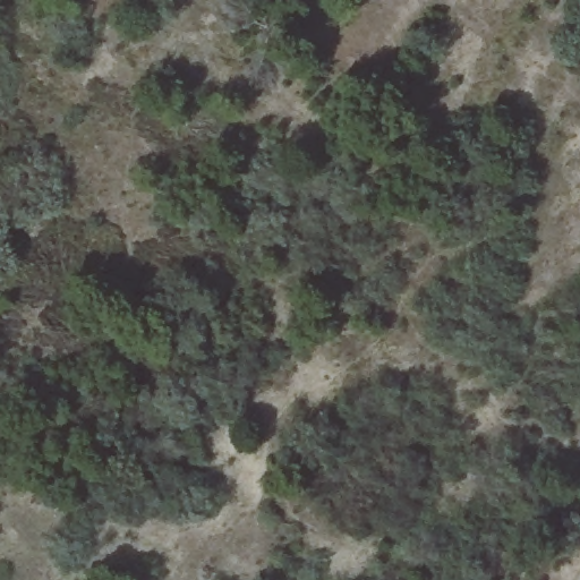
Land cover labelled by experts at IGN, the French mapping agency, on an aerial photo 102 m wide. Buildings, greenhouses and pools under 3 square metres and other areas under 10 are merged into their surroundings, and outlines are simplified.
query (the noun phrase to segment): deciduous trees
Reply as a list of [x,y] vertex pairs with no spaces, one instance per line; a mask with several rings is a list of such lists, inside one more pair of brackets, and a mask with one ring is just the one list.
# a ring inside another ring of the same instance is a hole
[[347,11],[360,9],[360,0],[319,0],[322,11],[333,23],[338,23],[340,16],[344,16]]
[[[306,5],[301,5],[299,0],[227,0],[227,5],[236,9],[236,18],[222,14],[220,20],[236,29],[233,41],[242,48],[242,57],[247,59],[254,57],[254,52],[265,52],[265,61],[272,61],[279,73],[285,73],[283,86],[290,86],[297,79],[306,82],[304,102],[308,102],[310,111],[319,113],[317,127],[324,131],[326,154],[331,156],[324,172],[315,170],[308,154],[299,150],[299,143],[279,143],[279,136],[295,136],[297,127],[290,125],[290,118],[270,113],[247,125],[242,122],[247,111],[242,109],[240,100],[229,100],[224,95],[206,95],[199,88],[184,91],[181,79],[172,70],[168,75],[159,70],[156,79],[147,79],[143,91],[136,91],[134,84],[129,86],[129,106],[138,113],[145,113],[152,120],[159,120],[165,129],[172,131],[179,131],[179,125],[190,120],[199,109],[206,113],[211,122],[227,122],[227,129],[222,131],[220,140],[195,136],[184,136],[181,140],[177,140],[177,150],[150,152],[140,156],[129,172],[129,179],[140,190],[154,193],[152,224],[159,229],[168,224],[179,229],[184,236],[188,236],[188,242],[197,251],[197,256],[186,256],[184,270],[172,272],[156,283],[156,295],[145,297],[140,308],[131,310],[129,301],[120,292],[116,292],[113,297],[104,297],[95,285],[86,285],[79,276],[70,274],[63,285],[66,292],[61,295],[61,322],[66,324],[70,335],[77,338],[79,347],[66,356],[43,356],[41,349],[32,347],[34,363],[25,365],[23,394],[0,396],[0,485],[11,485],[16,494],[29,492],[36,496],[39,503],[57,508],[61,512],[63,519],[57,528],[50,530],[50,539],[63,539],[66,544],[77,541],[84,546],[84,555],[91,557],[91,553],[100,548],[97,530],[104,521],[143,526],[150,519],[181,523],[197,521],[199,517],[218,517],[218,512],[227,503],[231,503],[231,498],[227,494],[218,494],[227,476],[215,467],[213,435],[220,428],[229,426],[229,437],[238,451],[256,453],[263,446],[249,433],[247,419],[242,415],[245,387],[254,390],[256,394],[270,390],[274,374],[285,360],[297,358],[299,363],[308,363],[315,356],[315,349],[329,342],[347,324],[351,329],[369,326],[374,335],[381,335],[394,326],[396,299],[408,288],[408,279],[415,265],[412,261],[403,258],[401,251],[387,247],[387,242],[403,240],[406,224],[399,224],[396,215],[406,215],[415,222],[426,224],[442,247],[460,245],[467,236],[476,242],[476,247],[458,254],[455,258],[442,256],[437,274],[424,288],[419,288],[412,304],[417,310],[428,308],[428,319],[421,329],[424,340],[451,353],[455,358],[458,372],[464,378],[485,376],[489,381],[496,381],[503,392],[512,383],[526,383],[523,390],[517,392],[517,408],[503,410],[505,417],[514,417],[514,424],[505,426],[501,433],[489,430],[483,435],[476,426],[478,419],[474,415],[455,410],[455,383],[453,378],[444,378],[442,365],[433,369],[381,367],[374,376],[356,378],[353,385],[333,390],[333,396],[329,401],[322,399],[319,403],[310,403],[306,396],[299,396],[290,408],[290,419],[295,424],[290,433],[283,433],[276,426],[274,437],[279,440],[279,451],[270,453],[267,458],[267,469],[261,478],[263,492],[276,492],[285,498],[295,498],[301,492],[306,492],[317,517],[324,517],[329,523],[333,523],[340,535],[349,535],[353,539],[369,539],[376,548],[376,555],[367,560],[365,569],[358,575],[331,573],[331,551],[310,546],[306,541],[306,526],[301,521],[288,519],[285,510],[276,501],[263,498],[258,503],[258,510],[261,521],[265,521],[263,528],[267,530],[267,541],[272,544],[272,548],[270,569],[263,569],[254,580],[539,580],[539,575],[544,573],[539,569],[539,562],[544,562],[548,555],[571,553],[575,557],[580,553],[580,272],[571,279],[555,281],[555,288],[532,306],[528,306],[523,299],[532,279],[528,265],[530,254],[539,249],[537,208],[526,206],[523,213],[514,215],[508,211],[508,204],[514,195],[537,193],[546,197],[546,184],[535,181],[528,156],[530,150],[539,150],[539,143],[544,138],[541,131],[535,131],[532,125],[505,129],[496,120],[496,109],[492,102],[462,104],[458,109],[449,109],[449,122],[462,125],[462,131],[455,134],[455,138],[462,152],[458,156],[449,156],[444,152],[437,152],[435,147],[426,147],[424,138],[428,127],[417,125],[415,113],[401,106],[401,91],[396,91],[392,84],[372,86],[356,77],[349,77],[349,66],[338,57],[333,66],[319,63],[315,59],[315,45],[310,41],[283,34],[283,16],[308,14]],[[306,272],[338,272],[351,281],[353,290],[349,290],[342,301],[324,301],[313,285],[301,285],[301,276]],[[272,331],[276,324],[274,304],[279,299],[290,301],[290,319],[285,335],[281,340],[272,340]],[[469,501],[460,501],[444,492],[444,483],[460,483],[467,474],[476,474],[476,489]]]
[[45,16],[57,16],[54,29],[61,32],[63,39],[59,50],[54,52],[54,61],[68,70],[86,70],[95,61],[97,48],[104,43],[104,25],[113,25],[118,34],[129,36],[131,41],[150,39],[177,16],[172,11],[174,0],[32,0],[32,9],[43,9]]
[[23,304],[14,304],[7,299],[9,288],[16,285],[18,261],[7,238],[7,220],[0,220],[0,319],[20,319]]
[[548,52],[555,54],[553,61],[560,66],[564,75],[575,73],[580,77],[580,0],[566,0],[564,20],[553,29]]
[[106,566],[100,566],[86,575],[84,580],[131,580],[129,575],[111,573]]

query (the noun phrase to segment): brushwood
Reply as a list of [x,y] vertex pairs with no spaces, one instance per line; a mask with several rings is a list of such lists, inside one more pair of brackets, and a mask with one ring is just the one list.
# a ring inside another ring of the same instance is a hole
[[430,61],[440,66],[451,54],[455,41],[462,36],[462,27],[458,25],[458,20],[451,20],[446,5],[430,5],[421,11],[419,18],[415,18],[406,27],[401,45],[394,45],[399,50],[399,57],[394,59],[396,73],[421,73]]
[[68,215],[61,218],[61,208],[70,208],[77,197],[77,170],[73,156],[68,156],[66,150],[59,145],[57,134],[70,136],[79,129],[79,122],[86,116],[82,116],[68,100],[57,95],[52,86],[45,86],[36,79],[34,59],[43,54],[43,50],[27,34],[18,32],[18,25],[34,25],[39,18],[45,16],[43,9],[32,9],[32,0],[0,0],[0,220],[7,220],[7,238],[18,261],[16,285],[9,288],[7,299],[14,304],[23,304],[20,319],[0,319],[0,396],[23,394],[25,365],[34,363],[32,347],[41,349],[43,356],[66,356],[79,347],[77,338],[70,335],[66,324],[61,322],[61,295],[66,292],[63,285],[70,274],[79,276],[86,256],[93,251],[125,254],[127,236],[118,222],[109,220],[104,211],[97,211],[84,220],[75,220]]
[[152,63],[145,70],[145,75],[134,84],[136,91],[143,91],[147,79],[156,79],[159,70],[168,75],[172,70],[163,61]]
[[206,113],[199,109],[190,120],[179,125],[179,131],[172,131],[172,138],[177,140],[181,140],[184,136],[195,136],[220,140],[222,131],[227,129],[227,122],[211,122]]
[[136,551],[131,546],[120,546],[116,553],[106,555],[100,562],[93,562],[91,557],[84,555],[84,546],[77,541],[66,544],[63,539],[50,539],[41,544],[45,560],[54,562],[63,573],[82,571],[86,575],[100,566],[106,566],[111,573],[129,575],[131,580],[165,580],[168,557],[159,551]]
[[159,229],[154,238],[136,242],[131,254],[136,263],[154,267],[156,283],[172,272],[184,270],[186,256],[197,256],[197,251],[188,242],[188,236],[184,236],[179,229],[168,224]]

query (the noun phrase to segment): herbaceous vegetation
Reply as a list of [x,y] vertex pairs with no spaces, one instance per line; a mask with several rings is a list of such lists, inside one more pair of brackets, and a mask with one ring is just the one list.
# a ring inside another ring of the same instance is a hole
[[353,290],[351,281],[338,272],[306,272],[301,276],[301,285],[313,285],[324,301],[342,301],[349,290]]
[[460,483],[444,483],[444,492],[460,501],[469,501],[476,489],[476,474],[467,474]]
[[[555,281],[571,279],[580,272],[580,77],[575,73],[564,75],[560,66],[553,61],[555,54],[548,52],[553,29],[564,20],[566,0],[360,0],[360,9],[347,11],[344,16],[340,16],[338,23],[333,23],[322,11],[319,0],[299,0],[301,5],[306,5],[308,14],[283,16],[283,34],[310,41],[315,45],[315,59],[319,63],[333,66],[338,57],[349,66],[349,77],[356,77],[372,86],[392,84],[396,91],[401,91],[401,106],[415,113],[417,125],[428,127],[424,138],[426,147],[435,147],[437,152],[444,152],[449,156],[458,156],[462,152],[455,138],[455,134],[462,131],[462,125],[449,122],[449,109],[458,109],[462,104],[492,102],[496,109],[496,120],[505,129],[532,125],[535,131],[541,131],[544,138],[539,143],[539,150],[530,150],[528,156],[535,181],[546,184],[546,197],[537,193],[514,195],[508,204],[508,211],[514,215],[523,213],[526,206],[537,208],[539,249],[530,254],[528,265],[532,279],[523,299],[528,306],[532,306],[555,288]],[[451,54],[440,66],[430,61],[421,73],[396,73],[394,59],[399,57],[399,50],[394,45],[401,45],[406,27],[415,18],[419,18],[421,11],[430,5],[446,5],[451,20],[458,20],[458,25],[462,27],[462,36],[455,41]]]
[[36,496],[29,492],[16,494],[11,485],[0,485],[0,580],[84,580],[86,575],[82,571],[63,573],[54,562],[45,560],[41,544],[50,539],[50,530],[57,528],[63,519],[61,512],[57,508],[39,503]]
[[238,451],[229,437],[229,426],[220,428],[213,435],[215,467],[227,476],[218,494],[227,494],[231,498],[231,503],[227,503],[218,512],[218,517],[199,517],[197,521],[181,523],[150,519],[143,526],[104,521],[97,530],[100,548],[91,553],[91,557],[93,562],[100,562],[106,555],[116,553],[120,546],[131,546],[136,551],[159,551],[168,557],[165,580],[254,580],[263,569],[270,569],[272,548],[272,544],[267,541],[267,530],[263,528],[265,521],[261,521],[258,510],[258,503],[263,498],[276,501],[285,510],[288,519],[301,521],[306,526],[306,541],[310,546],[331,551],[331,573],[358,575],[365,569],[367,560],[376,555],[376,548],[369,539],[353,539],[349,535],[340,535],[333,523],[329,523],[324,517],[317,517],[306,492],[301,492],[295,498],[285,498],[276,492],[263,492],[261,478],[267,469],[267,458],[270,453],[279,451],[279,440],[274,437],[276,426],[283,433],[290,433],[295,424],[290,419],[290,408],[299,396],[306,396],[310,403],[319,403],[322,399],[329,401],[333,396],[333,390],[353,385],[356,378],[374,376],[381,367],[433,369],[442,365],[444,378],[453,378],[455,383],[455,410],[474,415],[478,419],[476,426],[483,435],[489,430],[501,433],[505,426],[514,424],[514,417],[505,417],[503,410],[517,408],[517,392],[523,390],[526,383],[512,383],[503,392],[496,381],[489,381],[485,376],[464,378],[458,372],[455,358],[451,353],[424,340],[421,329],[428,319],[428,308],[417,310],[412,304],[419,288],[424,288],[437,274],[442,256],[455,258],[458,254],[476,247],[476,242],[467,236],[460,245],[442,247],[426,224],[415,222],[406,215],[396,215],[399,224],[406,224],[403,240],[387,242],[387,247],[401,251],[403,258],[412,261],[415,265],[408,279],[408,288],[396,299],[394,326],[381,335],[374,335],[369,326],[351,329],[347,324],[329,342],[315,349],[315,356],[308,363],[299,363],[297,358],[285,360],[274,374],[270,390],[256,394],[254,390],[245,387],[242,415],[247,419],[249,433],[263,446],[256,453]]
[[544,573],[539,575],[539,580],[580,580],[580,553],[575,557],[571,553],[548,555],[544,562],[539,562],[539,569]]
[[285,335],[290,319],[290,301],[279,299],[274,304],[276,324],[272,331],[272,340],[281,340]]
[[172,138],[172,131],[165,129],[159,120],[152,120],[145,113],[138,113],[129,106],[129,86],[134,84],[145,75],[145,70],[152,63],[163,61],[172,70],[181,79],[184,91],[199,88],[206,95],[224,95],[229,100],[240,100],[242,109],[247,111],[242,122],[247,125],[270,113],[290,118],[290,125],[297,127],[295,136],[279,136],[279,143],[299,143],[299,150],[308,154],[315,170],[324,172],[331,156],[326,154],[324,131],[317,127],[319,113],[310,111],[308,102],[304,102],[306,82],[297,79],[290,86],[283,86],[285,73],[279,73],[272,61],[265,61],[265,52],[254,52],[254,57],[247,59],[242,57],[242,48],[233,41],[236,29],[220,20],[222,14],[236,18],[236,9],[227,5],[227,0],[174,0],[172,11],[177,16],[150,39],[131,41],[129,36],[118,34],[113,25],[104,25],[104,43],[97,48],[95,61],[86,70],[68,70],[54,61],[54,52],[59,50],[63,39],[61,32],[54,29],[57,16],[45,16],[39,18],[34,25],[18,25],[18,32],[27,34],[43,50],[43,54],[34,59],[36,79],[45,86],[52,86],[57,95],[68,100],[82,116],[86,116],[79,122],[79,129],[70,136],[57,134],[59,145],[66,150],[68,156],[73,156],[77,170],[77,197],[70,208],[61,208],[61,218],[68,215],[75,220],[84,220],[97,211],[104,211],[109,220],[118,222],[127,236],[125,254],[93,251],[86,256],[79,276],[86,285],[95,285],[104,297],[113,297],[116,292],[120,292],[129,301],[131,310],[140,308],[145,297],[156,295],[156,283],[154,267],[136,263],[131,254],[136,242],[154,238],[159,229],[152,224],[154,193],[140,190],[129,179],[129,172],[140,156],[150,152],[177,150],[177,140]]

